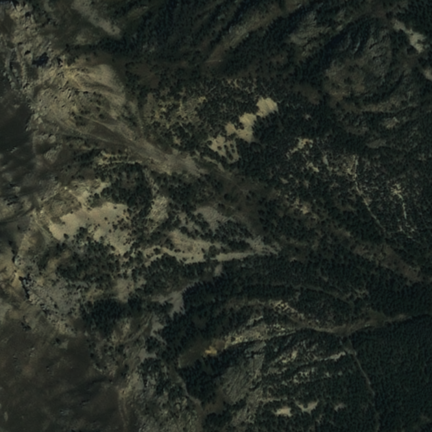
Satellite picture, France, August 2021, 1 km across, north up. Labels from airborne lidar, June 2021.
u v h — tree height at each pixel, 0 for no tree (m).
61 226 0
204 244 0
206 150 14
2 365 0
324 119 19
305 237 13
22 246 0
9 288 0
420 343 13
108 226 0
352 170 11
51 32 0
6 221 0
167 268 12
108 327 10
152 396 0
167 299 0
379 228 15
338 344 14
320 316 14
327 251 20
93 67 0
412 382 13
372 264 19
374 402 14
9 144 0
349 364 13
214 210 0
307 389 11
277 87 11
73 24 0
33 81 0
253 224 0
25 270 0
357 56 9
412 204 10
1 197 0
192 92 10
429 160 13
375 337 11
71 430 0
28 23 0
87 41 0
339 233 0
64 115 0
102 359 0
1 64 0
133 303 16
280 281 15
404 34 21
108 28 0
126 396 0
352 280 22
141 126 0
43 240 0
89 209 0
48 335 0
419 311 26
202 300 19
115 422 0
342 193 16
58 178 12
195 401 0
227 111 9
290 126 10
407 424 16
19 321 0
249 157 16
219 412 0
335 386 10
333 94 0
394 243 18
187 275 7
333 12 12
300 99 9
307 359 10
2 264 0
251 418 8
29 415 0
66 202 0
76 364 0
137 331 0
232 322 14
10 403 0
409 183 7
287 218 19
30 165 0
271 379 7
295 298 7
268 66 11
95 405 0
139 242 6
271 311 10
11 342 0
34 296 0
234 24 6
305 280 12
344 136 21
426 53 0
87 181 0
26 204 0
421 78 21
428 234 25
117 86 0
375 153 13
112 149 0
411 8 19
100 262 6
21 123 0
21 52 0
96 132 0
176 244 0
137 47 7
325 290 17
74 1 0
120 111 0
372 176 10
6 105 0
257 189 0
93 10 0
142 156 0
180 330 14
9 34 0
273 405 12
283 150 10
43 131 0
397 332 13
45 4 0
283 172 9
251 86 13
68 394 0
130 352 0
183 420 0
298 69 20
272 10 0
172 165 0
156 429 0
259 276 8
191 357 0
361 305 15
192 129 9
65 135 0
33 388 0
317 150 17
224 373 11
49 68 0
